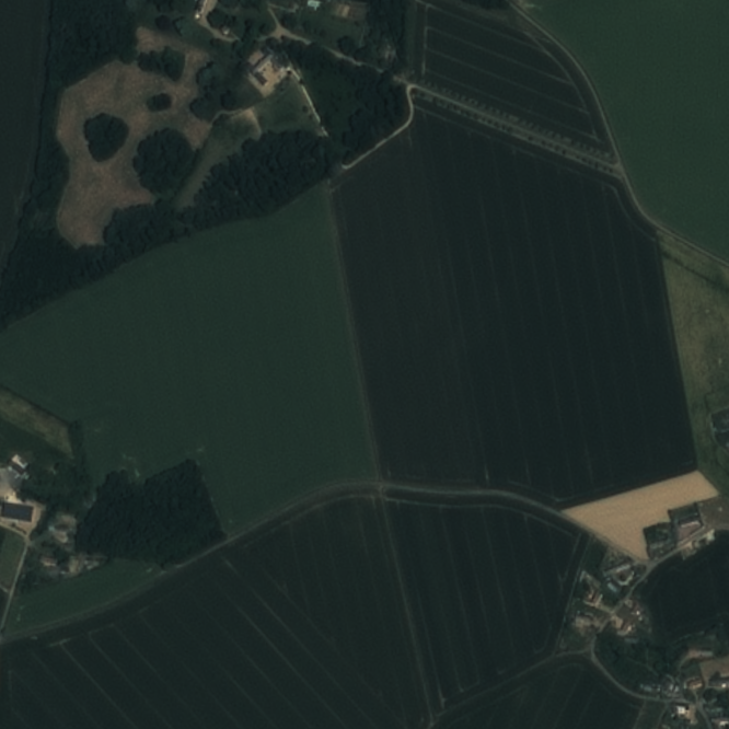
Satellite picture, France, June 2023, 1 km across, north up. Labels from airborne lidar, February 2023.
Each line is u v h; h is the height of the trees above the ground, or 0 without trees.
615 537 0
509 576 0
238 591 0
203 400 0
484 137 0
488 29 0
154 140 10
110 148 21
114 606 0
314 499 0
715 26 0
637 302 0
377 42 9
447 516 0
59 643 0
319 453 0
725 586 0
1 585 0
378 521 0
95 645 0
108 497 14
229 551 0
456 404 0
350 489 0
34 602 0
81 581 0
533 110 0
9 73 0
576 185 0
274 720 0
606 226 0
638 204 0
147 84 0
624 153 0
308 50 10
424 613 0
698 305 0
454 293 0
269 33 14
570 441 0
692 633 0
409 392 0
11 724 0
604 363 0
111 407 0
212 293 0
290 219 0
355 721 0
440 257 0
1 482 0
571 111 0
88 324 0
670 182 0
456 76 0
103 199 0
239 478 0
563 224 0
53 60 14
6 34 0
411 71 0
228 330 0
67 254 10
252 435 0
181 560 12
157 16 0
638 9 0
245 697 0
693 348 0
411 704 0
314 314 0
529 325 0
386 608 0
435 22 0
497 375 0
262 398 0
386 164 0
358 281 0
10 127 0
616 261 0
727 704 6
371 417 0
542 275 0
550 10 0
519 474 0
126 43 18
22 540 0
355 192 0
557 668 0
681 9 0
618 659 8
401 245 0
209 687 0
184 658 0
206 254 0
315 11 0
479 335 0
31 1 0
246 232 0
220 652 0
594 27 0
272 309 0
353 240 0
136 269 0
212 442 0
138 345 0
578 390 0
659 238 0
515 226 0
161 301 0
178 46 0
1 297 11
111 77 0
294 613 0
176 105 0
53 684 0
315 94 0
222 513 0
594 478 0
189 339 0
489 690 0
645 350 0
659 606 0
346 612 0
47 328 0
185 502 18
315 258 0
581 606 0
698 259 0
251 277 0
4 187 0
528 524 0
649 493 0
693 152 0
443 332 0
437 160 0
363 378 0
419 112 0
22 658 0
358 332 0
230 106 26
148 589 0
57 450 0
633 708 0
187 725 0
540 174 0
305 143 21
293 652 0
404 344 0
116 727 0
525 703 0
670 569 0
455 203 0
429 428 0
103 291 0
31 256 13
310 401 0
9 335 0
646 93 0
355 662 0
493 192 0
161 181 20
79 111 0
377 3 12
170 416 0
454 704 0
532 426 0
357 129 21
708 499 0
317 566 0
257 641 0
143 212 19
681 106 0
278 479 0
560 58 0
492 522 0
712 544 0
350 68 24
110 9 20
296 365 0
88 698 0
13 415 0
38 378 0
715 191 0
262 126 0
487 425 0
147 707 0
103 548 10
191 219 21
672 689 0
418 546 0
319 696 0
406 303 0
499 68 0
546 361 0
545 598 0
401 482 0
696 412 0
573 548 0
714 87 0
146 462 0
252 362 0
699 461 0
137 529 19
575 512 0
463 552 0
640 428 0
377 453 0
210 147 0
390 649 0
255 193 21
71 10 16
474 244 0
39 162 14
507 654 0
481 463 0
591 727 0
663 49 0
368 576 0
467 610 0
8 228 0
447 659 0
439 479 0
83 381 0
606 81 0
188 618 0
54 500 10
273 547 0
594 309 0
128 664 0
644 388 0
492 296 0
